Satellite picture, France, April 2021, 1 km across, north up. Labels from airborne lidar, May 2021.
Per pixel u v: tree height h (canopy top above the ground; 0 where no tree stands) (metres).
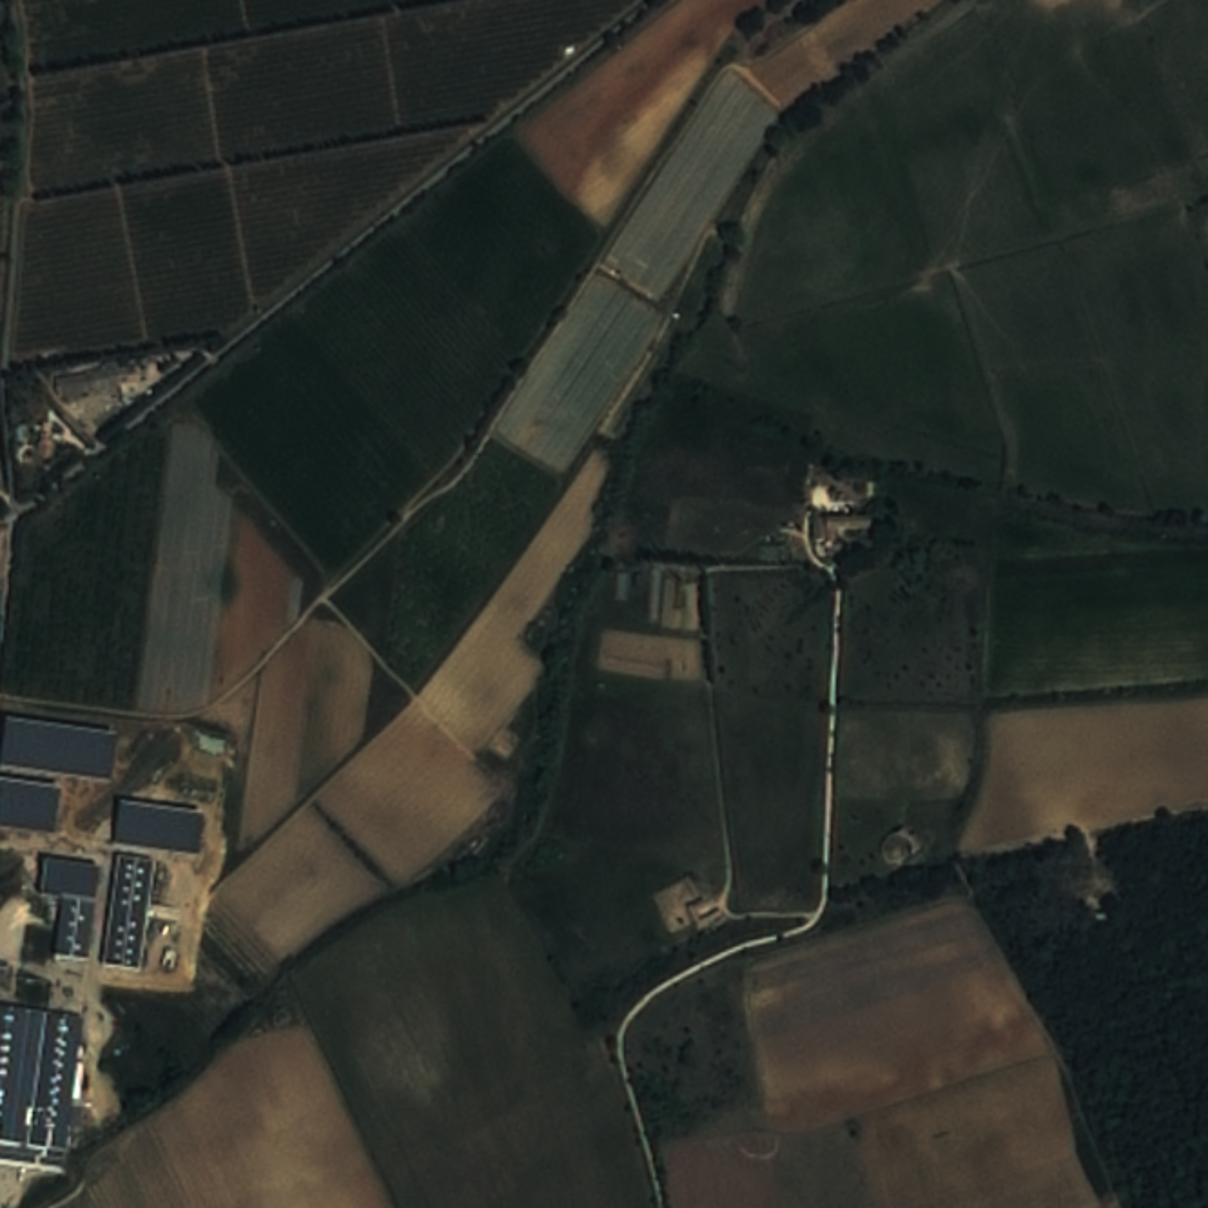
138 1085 0
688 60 0
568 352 0
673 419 0
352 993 0
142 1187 0
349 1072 0
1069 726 0
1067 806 0
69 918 0
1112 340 0
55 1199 0
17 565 6
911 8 0
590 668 0
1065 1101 0
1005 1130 0
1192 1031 9
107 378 0
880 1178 0
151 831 0
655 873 0
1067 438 0
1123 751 0
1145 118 0
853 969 0
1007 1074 0
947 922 0
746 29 12
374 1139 0
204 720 0
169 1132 0
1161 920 9
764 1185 0
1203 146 0
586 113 0
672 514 0
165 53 12
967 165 0
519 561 0
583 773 0
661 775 0
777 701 0
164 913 0
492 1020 0
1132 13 0
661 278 0
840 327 0
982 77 0
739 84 0
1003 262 0
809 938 0
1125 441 0
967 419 0
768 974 0
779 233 0
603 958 0
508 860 10
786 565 10
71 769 0
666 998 0
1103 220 0
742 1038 0
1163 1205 10
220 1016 0
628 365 0
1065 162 0
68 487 12
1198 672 0
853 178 0
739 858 0
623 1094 0
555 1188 0
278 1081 0
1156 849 9
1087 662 0
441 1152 0
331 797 0
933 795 0
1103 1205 0
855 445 0
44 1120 0
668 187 0
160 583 0
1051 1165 0
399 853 0
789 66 0
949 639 0
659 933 0
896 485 0
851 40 0
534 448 0
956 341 0
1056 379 0
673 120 0
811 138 0
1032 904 8
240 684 0
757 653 0
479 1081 0
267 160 9
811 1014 0
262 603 0
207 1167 0
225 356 5
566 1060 0
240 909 0
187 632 0
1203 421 0
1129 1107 8
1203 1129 7
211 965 0
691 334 6
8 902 0
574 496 0
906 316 0
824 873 8
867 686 0
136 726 0
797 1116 0
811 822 0
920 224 0
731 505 0
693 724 0
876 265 0
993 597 0
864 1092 0
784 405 0
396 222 7
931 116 0
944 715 0
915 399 0
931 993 0
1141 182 0
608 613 0
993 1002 0
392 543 0
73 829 0
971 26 0
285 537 0
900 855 0
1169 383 0
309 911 0
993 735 0
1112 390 0
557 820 0
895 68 0
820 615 0
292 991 0
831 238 0
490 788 0
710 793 0
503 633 0
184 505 0
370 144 12
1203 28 0
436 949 0
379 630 0
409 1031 0
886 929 0
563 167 0
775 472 0
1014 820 0
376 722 0
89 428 0
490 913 0
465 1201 0
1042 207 0
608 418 0
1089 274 0
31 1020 0
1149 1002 7
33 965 0
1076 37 0
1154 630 0
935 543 7
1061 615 0
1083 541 0
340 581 0
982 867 12
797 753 0
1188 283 0
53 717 0
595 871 0
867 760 0
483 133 0
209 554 0
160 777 0
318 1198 0
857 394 0
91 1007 0
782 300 0
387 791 0
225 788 0
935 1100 0
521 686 0
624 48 0
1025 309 0
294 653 0
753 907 0
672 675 0
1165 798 0
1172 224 0
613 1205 0
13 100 10
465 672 0
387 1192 0
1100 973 8
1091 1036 6
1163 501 0
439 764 0
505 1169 0
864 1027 0
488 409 9
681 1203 0
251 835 0
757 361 0
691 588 0
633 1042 0
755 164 0
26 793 0
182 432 0
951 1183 0
